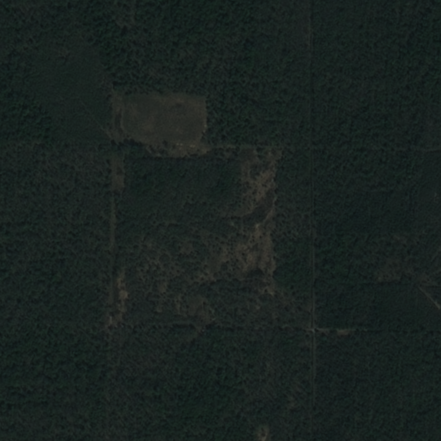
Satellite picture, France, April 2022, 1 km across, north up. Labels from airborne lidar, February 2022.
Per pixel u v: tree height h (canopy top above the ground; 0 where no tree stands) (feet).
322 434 44
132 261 33
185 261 23
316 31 40
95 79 28
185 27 66
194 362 43
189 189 34
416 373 63
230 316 46
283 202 41
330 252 48
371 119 48
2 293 58
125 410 68
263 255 0
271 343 42
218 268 0
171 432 48
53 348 58
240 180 21
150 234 32
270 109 57
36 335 58
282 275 51
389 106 57
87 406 63
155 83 34
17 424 66
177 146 0
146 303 32
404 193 22
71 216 73
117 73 28
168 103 0
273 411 52
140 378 57
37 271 61
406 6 58
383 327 45
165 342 52
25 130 41
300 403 50
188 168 30
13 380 68
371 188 38
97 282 55
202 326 0
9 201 55
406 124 50
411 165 55
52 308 60
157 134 0
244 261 0
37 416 71
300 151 55
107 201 49
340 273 50
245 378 46
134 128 0
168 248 18
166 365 50
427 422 52
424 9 54
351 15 60
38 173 65
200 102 0
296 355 46
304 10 50
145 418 61
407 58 60
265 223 0
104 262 52
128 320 34
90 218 53
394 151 47
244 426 58
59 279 43
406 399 60
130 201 47
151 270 26
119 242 25
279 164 29
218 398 58
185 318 28
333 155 49
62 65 31
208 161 30
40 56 28
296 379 45
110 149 44
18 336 66
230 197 27
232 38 55
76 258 70
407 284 35
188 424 61
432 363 59
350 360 38
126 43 64
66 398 71
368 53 34
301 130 51
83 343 57
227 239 25
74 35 49
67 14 56
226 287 34
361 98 50
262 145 30
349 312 45
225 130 69
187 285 19
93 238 69
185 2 75
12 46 57
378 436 43
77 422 43
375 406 58
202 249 28
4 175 53
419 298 25
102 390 62
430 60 66
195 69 38
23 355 64
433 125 69
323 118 53
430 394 49
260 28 65
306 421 38
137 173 38
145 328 61
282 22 51
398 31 50
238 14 61
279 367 41
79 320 57
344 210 45
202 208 30
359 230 48
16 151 45
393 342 62
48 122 67
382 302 31
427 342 46
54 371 58
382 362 54
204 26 69
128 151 52
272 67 63
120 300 0
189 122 0
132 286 20
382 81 61
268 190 0
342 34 46
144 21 65
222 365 45
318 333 38
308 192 51
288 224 35
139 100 0
